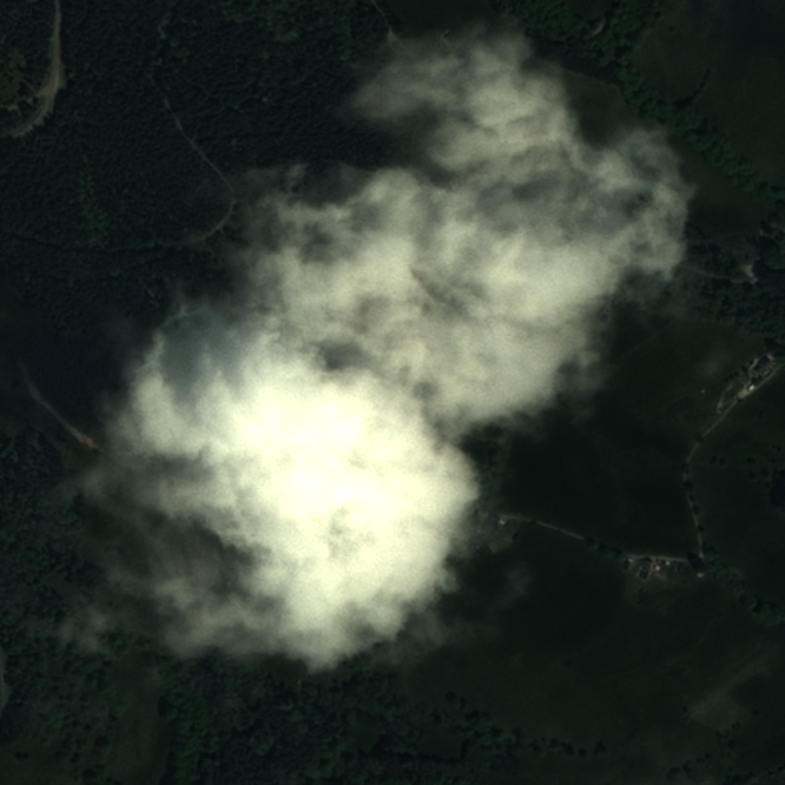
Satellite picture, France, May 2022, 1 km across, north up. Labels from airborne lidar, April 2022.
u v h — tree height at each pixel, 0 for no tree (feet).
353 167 54
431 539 63
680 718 0
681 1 0
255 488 0
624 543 0
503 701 0
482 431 0
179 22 66
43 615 80
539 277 78
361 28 72
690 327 0
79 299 79
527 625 0
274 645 0
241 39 78
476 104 0
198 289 81
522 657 0
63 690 37
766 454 0
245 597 55
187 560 0
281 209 65
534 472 0
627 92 39
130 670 0
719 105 0
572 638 0
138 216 46
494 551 0
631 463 0
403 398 0
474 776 43
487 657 0
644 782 0
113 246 48
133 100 70
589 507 0
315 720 85
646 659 0
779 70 0
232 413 0
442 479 71
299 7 76
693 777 58
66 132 74
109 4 77
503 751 43
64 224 71
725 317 40
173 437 0
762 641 0
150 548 0
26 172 67
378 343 74
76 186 65
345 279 42
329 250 53
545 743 32
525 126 0
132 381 74
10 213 74
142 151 63
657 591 0
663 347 0
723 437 0
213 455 0
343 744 81
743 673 0
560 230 0
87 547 0
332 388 71
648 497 0
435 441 0
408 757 47
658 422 0
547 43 81
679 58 0
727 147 60
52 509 94
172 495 0
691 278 0
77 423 0
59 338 47
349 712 96
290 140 67
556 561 0
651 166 0
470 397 0
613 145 0
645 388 0
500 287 80
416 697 0
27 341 0
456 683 0
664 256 38
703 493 0
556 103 0
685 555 0
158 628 66
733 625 0
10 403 0
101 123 74
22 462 76
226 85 74
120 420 0
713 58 0
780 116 0
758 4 0
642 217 0
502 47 0
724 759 37
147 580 68
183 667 77
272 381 26
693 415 0
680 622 0
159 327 89
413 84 54
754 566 0
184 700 78
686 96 0
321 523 0
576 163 0
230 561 0
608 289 0
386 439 78
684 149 0
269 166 59
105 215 41
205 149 61
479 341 0
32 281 71
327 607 0
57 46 0
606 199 0
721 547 0
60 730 49
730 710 0
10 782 0
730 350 0
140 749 0
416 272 44
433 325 0
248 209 37
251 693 56
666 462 0
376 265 50
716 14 0
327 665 0
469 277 79
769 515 0
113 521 0
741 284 0
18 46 79
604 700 0
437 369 0
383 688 54
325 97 62
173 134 37
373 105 56
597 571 0
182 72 86
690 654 0
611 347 0
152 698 0
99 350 79
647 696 0
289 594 0
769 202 49
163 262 76
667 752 0
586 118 0
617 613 0
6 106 26
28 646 90
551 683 0
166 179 53
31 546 69
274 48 65
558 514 0
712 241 0
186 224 51
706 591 0
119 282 81
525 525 0
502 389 0
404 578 0
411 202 89
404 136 66
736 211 0
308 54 67
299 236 51
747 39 0
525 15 51
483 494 57
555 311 46
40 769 0
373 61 76
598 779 0
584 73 56
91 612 62
